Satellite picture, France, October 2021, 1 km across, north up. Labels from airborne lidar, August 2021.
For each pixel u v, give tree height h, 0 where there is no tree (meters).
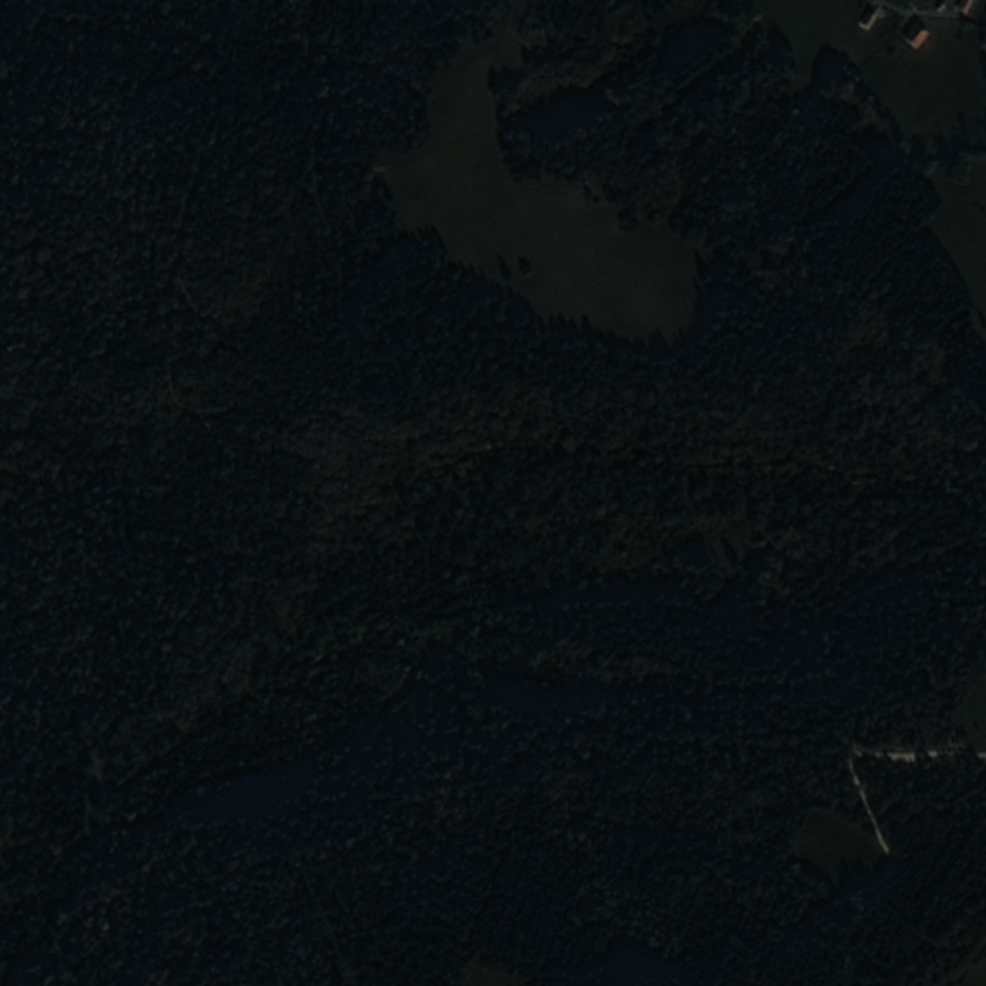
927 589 20
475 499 29
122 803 19
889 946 28
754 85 18
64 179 18
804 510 23
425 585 15
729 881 13
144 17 21
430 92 12
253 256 11
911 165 24
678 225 11
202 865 27
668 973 26
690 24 0
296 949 27
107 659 33
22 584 18
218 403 10
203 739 15
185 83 21
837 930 23
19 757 30
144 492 17
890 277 15
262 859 28
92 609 23
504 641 11
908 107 0
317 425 10
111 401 14
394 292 30
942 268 23
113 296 14
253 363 15
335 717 8
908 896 20
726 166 17
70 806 17
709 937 12
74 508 11
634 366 11
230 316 7
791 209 18
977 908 24
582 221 0
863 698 27
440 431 12
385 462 21
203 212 15
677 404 16
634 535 11
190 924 30
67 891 14
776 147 15
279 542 14
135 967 26
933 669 23
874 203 24
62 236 15
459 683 10
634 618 35
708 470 9
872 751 12
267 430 15
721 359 19
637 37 22
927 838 12
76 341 18
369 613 11
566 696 6
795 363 28
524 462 16
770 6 0
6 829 23
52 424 12
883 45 0
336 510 16
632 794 16
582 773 27
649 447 13
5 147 23
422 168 0
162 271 8
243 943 27
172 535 23
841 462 13
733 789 21
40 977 16
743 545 0
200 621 8
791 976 25
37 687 14
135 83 16
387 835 26
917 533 27
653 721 10
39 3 20
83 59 17
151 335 20
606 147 19
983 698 0
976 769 16
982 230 0
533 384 13
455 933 24
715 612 32
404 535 30
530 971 19
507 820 23
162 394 12
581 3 15
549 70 8
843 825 0
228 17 17
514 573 14
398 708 10
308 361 17
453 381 16
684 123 26
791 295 24
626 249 0
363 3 12
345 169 10
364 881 23
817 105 15
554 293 0
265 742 12
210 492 12
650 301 0
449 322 23
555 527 17
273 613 17
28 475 12
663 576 8
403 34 13
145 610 13
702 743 21
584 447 7
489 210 0
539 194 0
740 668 31
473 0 15
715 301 9
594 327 0
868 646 33
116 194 19
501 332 22
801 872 9
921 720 20
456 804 23
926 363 32
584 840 20
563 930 24
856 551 27
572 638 27
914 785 9
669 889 15
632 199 21
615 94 21
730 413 23
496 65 0
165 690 12
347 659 10
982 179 0
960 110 0
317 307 13
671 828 15
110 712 19
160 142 17
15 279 17
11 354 16
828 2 0
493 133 0
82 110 17
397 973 21
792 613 30
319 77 17
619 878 15
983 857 22
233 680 14
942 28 0
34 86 17
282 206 14
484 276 0
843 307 28
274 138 15
